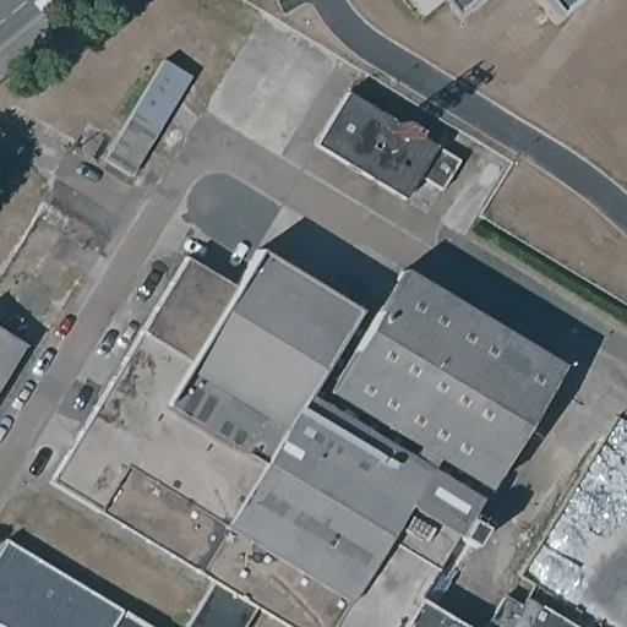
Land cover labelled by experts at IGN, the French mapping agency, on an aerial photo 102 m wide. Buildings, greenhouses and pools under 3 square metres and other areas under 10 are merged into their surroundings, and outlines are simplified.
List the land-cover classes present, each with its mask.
<instances>
[{"label":"impervious surface","instance_id":"1","mask_svg":"<svg viewBox=\"0 0 627 627\"><path fill-rule=\"evenodd\" d=\"M51 0H0V86H2L10 61L34 44V39L42 37L49 27L44 7ZM282 10L294 15V24L289 27L277 15L262 10L265 22L255 27L252 34H247L245 47H240L235 61L225 71L223 81L216 86L206 113H193L184 105L191 86L198 81V76H191L189 86L181 91L179 100L174 103L164 125L159 127L154 142L140 159V171H130L127 167L113 159V152H108L110 137L105 132H86L81 137H73L51 122L34 127L29 120H22L12 110H0V211L12 198V193L27 181V171L34 164L47 176V189H54L51 206L59 208L64 216L86 223L93 230L91 238H83V247H105V257L96 260L93 269L88 272V284L83 289L81 279H76L54 301L51 287L47 284H29L17 296H0V326L27 343L22 358L17 360L15 370L0 389V500L7 497L17 502L20 495L47 492L51 487L66 500L88 509L93 517L103 519L113 534L127 536L147 546L149 554L162 556L164 561L184 568L186 573L206 583L201 600L191 607L189 620L181 627H193L196 617L201 615L203 605L216 590V578H211L193 563L184 561L181 556L171 554L169 549L154 544L125 522L110 517L105 509L61 487L59 478L73 448L83 438L81 424L86 421L96 397L108 385V380H113L120 360L135 355L142 345V338L152 333L157 314L162 311L174 287L184 277L189 262L198 260L211 269L220 272L223 277L240 282L242 272L250 277L255 274L257 265L265 257V250L277 252L279 257L289 260L291 265L301 267L304 272L314 274L316 279H321L323 284L333 287L353 301L360 296V287H377L382 282H389L394 287V279H402L404 269H414L434 284L460 296L470 306L480 309L482 314L492 316L502 326L541 345L544 350H549L568 365V372L558 392L554 394L549 409L544 411L539 426L534 429L531 438L524 443L522 453L509 465L500 487H495L492 500L482 507V519L492 522L495 529L487 531V536L480 541L468 536L465 544L456 541L443 568L438 571L434 585L426 593L429 600L424 607L446 617L451 627H500L492 622V610L495 605L502 607L509 600V595L519 603L536 600L539 605L554 607L583 627H627V326L615 316L605 314L603 309L588 304L578 294L568 291L558 282L544 277L534 267L524 265L512 252L502 250L495 240L480 238L473 230V225L480 220L485 216L487 201L492 198V184L509 171L514 159L529 157L539 167L566 181L571 189L583 193L620 228L627 230V196L620 189H615L607 179H603L598 171H593L585 162L576 159L558 145L549 142L539 132L529 130L527 125L512 120L487 100H482L475 91L482 83L492 81V71L473 66L460 78L448 81L443 73L434 71L424 61L414 59L411 54L402 51L385 37L375 34L370 27H365L345 0H279ZM340 93H355L367 103L377 105L380 110L394 115L397 120L419 122L429 130V137L436 145H443L446 149L456 152L463 162L451 167L441 164L446 181L436 184L429 179L414 193L397 191L394 186L372 176L353 162L348 167L331 162L314 147V140L321 125L326 122L331 108L340 98Z\"/></svg>","mask_w":627,"mask_h":627},{"label":"building","instance_id":"2","mask_svg":"<svg viewBox=\"0 0 627 627\"><path fill-rule=\"evenodd\" d=\"M544 7V12L536 17V22L541 24L561 22L563 17H568L566 7H571L576 0H536ZM191 76L171 61L159 64L154 78L140 96L137 105L110 137L108 152H113V159L127 167L130 171H140V159L154 142L159 127L164 125L174 103L179 100L181 91L189 86ZM314 147L331 162L348 167L353 162L372 176L394 186L397 191L414 193L429 179L436 184L446 181L441 164L451 167L463 162L456 152L446 149L443 145H436L429 137V130L419 122L397 120L394 115L380 110L377 105L367 103L355 93H340V98L331 108L326 122L321 125L314 140ZM568 372V365L549 350H544L541 345L502 326L492 316L482 314L480 309L470 306L460 296L434 284L414 269H404L402 279H394V287L389 282H382L377 287H360V296L353 301L333 287L323 284L321 279H316L314 274L304 272L301 267L291 265L289 260L279 257L277 252L265 250V257L257 265L255 274L250 277L242 272L240 282L223 277L220 272L211 269L198 260L189 262L184 277L174 287L162 311L157 314L152 333L142 338V345L135 355L120 360L113 380H108V385L96 397L86 421L81 424L83 438L73 448L59 478L61 487L105 509L110 517L125 522L154 544L169 549L171 554L181 556L184 561L193 563L211 578H216V590L203 605L201 615L196 617L193 627H451L446 617L424 607L429 600L426 593L434 585L438 571L443 568L456 541L465 544L468 536L480 541L487 536V531L495 529L492 522L482 519V507L492 500L495 487H500L509 465L522 453L524 443L531 438L534 429L539 426L544 411L549 409L554 394L558 392ZM27 343L0 326V389L15 370L17 360L22 358ZM0 627H157L145 617L125 610L108 595L98 593L96 588L86 585L83 580L73 578L71 573L61 571L59 566L49 563L27 546L12 539L0 541ZM492 622L500 627H583L554 607L539 605L536 600L519 603L509 595V600L502 607L495 605L492 610Z\"/></svg>","mask_w":627,"mask_h":627},{"label":"herbaceous vegetation","instance_id":"3","mask_svg":"<svg viewBox=\"0 0 627 627\"><path fill-rule=\"evenodd\" d=\"M127 12L122 20L125 27L118 29V34L108 42L88 39L76 27H49L42 37L34 39V44L37 49H51L59 56L73 61L76 66L71 69V73L61 83H54L37 96H15L7 86H0V110H12L22 120H29L34 127L51 122L73 137H81L86 132H105L110 137L137 105L140 96L154 78L159 64L171 61L191 76H198V81L191 86L184 105L193 113H206L216 86L223 81L225 71L235 61L240 47H245L247 34H252L255 27L265 22L262 10L277 15L289 27L294 24V15L282 10L279 0H113ZM365 27H370L375 34L385 37L402 51L411 54L414 59L424 61L434 71L443 73L448 81L460 78L473 66L492 71V81L482 83L475 91L482 100H487L512 120L527 125L529 130L539 132L549 142L558 145L576 159L585 162L593 171H598L603 179H607L615 189H620L627 196V0H576L571 7H566L568 17H563L561 22L541 24L536 22V17L544 12V7L536 0H345ZM480 220L492 223L507 235L519 238L522 242L546 255L556 265L571 269L573 274L595 284L600 291L627 304V230L620 228L583 193L571 189L566 181L539 167L529 157L514 159L509 171L492 184V198L487 201L485 216ZM54 189H47V176L34 164L27 171V181L12 193V198L0 211V296H17L29 284H47L51 287L54 301L76 279H81L83 289L88 284V272L93 269L96 260L105 257V247H83V238H91L93 230L86 223L64 216L59 208L51 206ZM12 539L27 546L49 563L59 566L61 571L71 573L73 578L83 580L86 585L96 588L98 593L108 595L125 610L145 617L157 627H181L189 620L191 607L201 600L206 583L186 573L184 568L164 561L162 556L149 554L147 546L127 536L113 534L103 519L93 517L88 509L66 500L51 487L47 492L20 495L17 502L7 497L0 500V541Z\"/></svg>","mask_w":627,"mask_h":627},{"label":"deciduous trees","instance_id":"4","mask_svg":"<svg viewBox=\"0 0 627 627\"><path fill-rule=\"evenodd\" d=\"M49 27H76L88 39L108 42L118 34V29L125 27L122 20L127 12L113 0H51L44 7ZM76 66L73 61L59 56L51 49H37L34 44L10 61L2 86H7L15 96H37L54 83H61L71 73V69Z\"/></svg>","mask_w":627,"mask_h":627},{"label":"brushwood","instance_id":"5","mask_svg":"<svg viewBox=\"0 0 627 627\"><path fill-rule=\"evenodd\" d=\"M473 230L480 238L495 240L502 250L512 252L524 265L534 267L544 277L558 282L568 291L578 294L588 304L603 309L605 314L615 316L627 326V304L600 291L595 284L573 274L571 269L556 265L546 255L522 242L519 238L507 235L492 223L480 220L473 225Z\"/></svg>","mask_w":627,"mask_h":627}]
</instances>
